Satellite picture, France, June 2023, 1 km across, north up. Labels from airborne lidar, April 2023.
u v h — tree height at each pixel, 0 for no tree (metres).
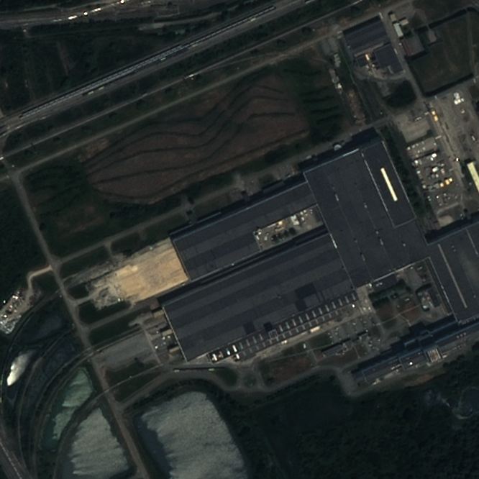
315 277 0
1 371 0
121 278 0
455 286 0
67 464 0
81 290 0
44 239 0
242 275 0
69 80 9
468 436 14
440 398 0
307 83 0
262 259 0
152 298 0
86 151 0
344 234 0
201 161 0
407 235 0
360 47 0
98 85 0
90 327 0
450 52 0
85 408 0
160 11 0
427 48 9
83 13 0
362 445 0
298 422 0
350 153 0
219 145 0
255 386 0
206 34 0
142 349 0
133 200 0
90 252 0
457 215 0
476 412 0
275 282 0
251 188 0
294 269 0
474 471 18
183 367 0
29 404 0
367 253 0
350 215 0
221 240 0
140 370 0
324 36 0
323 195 0
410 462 8
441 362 0
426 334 0
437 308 0
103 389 0
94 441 0
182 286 0
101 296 0
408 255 0
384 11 0
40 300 0
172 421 0
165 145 0
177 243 0
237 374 0
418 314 0
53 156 0
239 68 0
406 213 0
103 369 0
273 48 0
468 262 0
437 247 0
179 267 0
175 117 0
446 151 0
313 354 0
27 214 0
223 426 0
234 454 0
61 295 0
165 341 0
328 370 0
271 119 0
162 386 0
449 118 0
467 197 0
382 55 0
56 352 0
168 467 0
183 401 0
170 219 0
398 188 0
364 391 0
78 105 0
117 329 0
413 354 0
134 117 0
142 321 0
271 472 0
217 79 0
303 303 0
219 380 0
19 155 0
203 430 0
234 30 0
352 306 0
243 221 0
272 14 0
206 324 0
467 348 0
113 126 0
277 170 0
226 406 7
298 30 0
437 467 16
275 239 12
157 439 0
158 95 0
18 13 0
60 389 0
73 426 0
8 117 0
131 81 0
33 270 0
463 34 0
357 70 0
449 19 7
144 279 0
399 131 0
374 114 0
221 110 0
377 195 0
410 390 8
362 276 0
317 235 0
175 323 0
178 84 0
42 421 0
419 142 0
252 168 0
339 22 0
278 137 0
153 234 0
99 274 0
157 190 0
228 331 0
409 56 9
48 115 0
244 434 10
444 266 0
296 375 0
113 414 0
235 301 0
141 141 0
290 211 0
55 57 0
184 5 0
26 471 0
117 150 0
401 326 0
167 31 9
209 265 0
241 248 0
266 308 0
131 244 0
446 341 0
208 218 0
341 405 0
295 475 0
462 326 0
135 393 0
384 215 0
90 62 9
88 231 0
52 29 8
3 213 0
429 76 0
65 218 0
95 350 0
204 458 0
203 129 0
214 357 0
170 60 0
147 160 0
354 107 0
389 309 0
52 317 0
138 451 0
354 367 0
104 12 0
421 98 0
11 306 0
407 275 0
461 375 7
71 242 0
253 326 0
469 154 0
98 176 0
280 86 0
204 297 0
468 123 0
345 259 0
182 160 0
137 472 0
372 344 0
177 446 0
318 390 0
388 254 0
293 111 0
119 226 0
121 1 0
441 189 0
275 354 0
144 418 0
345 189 0
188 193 8
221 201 0
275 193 0
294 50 0
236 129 0
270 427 0
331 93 0
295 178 0
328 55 0
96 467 0
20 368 0
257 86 0
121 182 0
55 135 0
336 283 0
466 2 0
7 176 0
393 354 0
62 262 0
